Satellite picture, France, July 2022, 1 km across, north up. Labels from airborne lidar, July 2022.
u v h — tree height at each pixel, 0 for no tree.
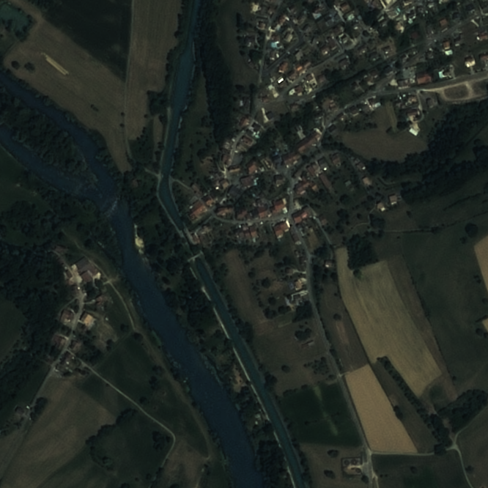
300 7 0
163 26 0
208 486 0
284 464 17
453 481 0
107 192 0
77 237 0
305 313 10
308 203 6
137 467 0
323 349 0
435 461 0
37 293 22
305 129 7
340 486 0
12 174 0
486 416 0
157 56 0
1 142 0
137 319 0
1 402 22
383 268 0
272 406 0
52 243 9
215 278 10
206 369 0
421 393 0
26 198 0
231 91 14
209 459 0
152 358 0
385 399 0
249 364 0
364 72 10
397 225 0
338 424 0
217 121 21
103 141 0
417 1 0
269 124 0
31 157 0
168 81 12
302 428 0
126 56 0
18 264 25
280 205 0
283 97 0
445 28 0
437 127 10
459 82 0
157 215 0
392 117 0
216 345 0
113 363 0
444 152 29
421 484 0
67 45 0
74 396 0
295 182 0
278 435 0
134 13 0
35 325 20
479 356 0
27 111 9
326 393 0
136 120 0
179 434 0
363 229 0
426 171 20
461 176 21
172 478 0
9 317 0
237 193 0
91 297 14
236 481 0
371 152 0
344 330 0
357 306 0
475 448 0
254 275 10
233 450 0
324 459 0
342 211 9
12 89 0
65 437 0
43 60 0
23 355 17
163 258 21
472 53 0
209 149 6
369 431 0
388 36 7
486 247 0
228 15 0
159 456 0
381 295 0
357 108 9
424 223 0
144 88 0
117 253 6
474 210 0
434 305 0
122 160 0
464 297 0
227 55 0
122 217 0
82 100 0
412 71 0
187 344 0
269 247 8
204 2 19
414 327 0
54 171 0
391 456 0
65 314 0
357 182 5
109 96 0
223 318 0
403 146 0
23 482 0
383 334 0
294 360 0
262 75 0
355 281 0
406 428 0
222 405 0
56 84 0
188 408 0
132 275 0
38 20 0
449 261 0
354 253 11
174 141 0
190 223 12
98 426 0
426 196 6
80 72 0
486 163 25
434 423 17
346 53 8
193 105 20
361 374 0
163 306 0
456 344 0
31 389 0
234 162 0
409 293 0
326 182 0
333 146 6
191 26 0
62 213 13
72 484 0
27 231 24
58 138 16
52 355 11
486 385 0
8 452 0
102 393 0
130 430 0
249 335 14
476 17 0
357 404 0
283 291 0
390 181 11
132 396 0
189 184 0
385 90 0
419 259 0
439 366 0
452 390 0
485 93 0
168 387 0
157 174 11
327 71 10
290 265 13
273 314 17
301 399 0
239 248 5
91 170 0
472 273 0
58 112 0
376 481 0
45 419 0
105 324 0
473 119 6
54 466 0
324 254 22
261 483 0
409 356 0
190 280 11
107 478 0
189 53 0
